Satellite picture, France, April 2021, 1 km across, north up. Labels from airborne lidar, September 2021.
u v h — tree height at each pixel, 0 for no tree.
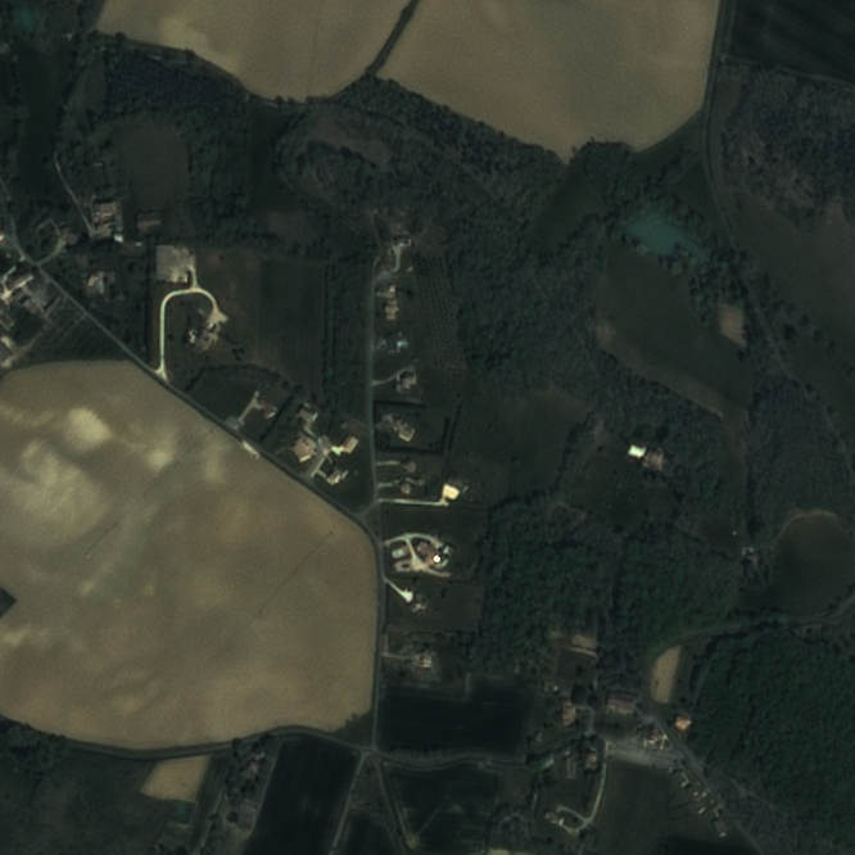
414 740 0
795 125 11
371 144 8
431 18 0
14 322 7
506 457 0
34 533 0
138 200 0
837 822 22
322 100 12
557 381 16
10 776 0
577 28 0
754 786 18
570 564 23
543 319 20
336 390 14
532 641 18
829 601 0
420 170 16
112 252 19
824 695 18
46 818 0
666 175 12
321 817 12
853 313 0
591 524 12
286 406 14
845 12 0
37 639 0
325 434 6
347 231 7
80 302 11
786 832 19
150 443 0
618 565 12
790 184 11
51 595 0
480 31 0
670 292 0
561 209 0
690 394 0
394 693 0
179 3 0
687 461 19
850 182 8
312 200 29
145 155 0
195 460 0
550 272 20
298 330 13
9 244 0
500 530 19
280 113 11
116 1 0
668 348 0
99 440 0
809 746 24
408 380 10
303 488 0
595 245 17
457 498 0
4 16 8
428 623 0
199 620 0
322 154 14
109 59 15
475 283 24
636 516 0
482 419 0
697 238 10
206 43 0
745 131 16
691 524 14
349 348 11
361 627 0
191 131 19
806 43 0
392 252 9
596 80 0
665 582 23
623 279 0
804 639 10
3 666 0
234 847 0
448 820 13
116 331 21
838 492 16
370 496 0
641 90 0
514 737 0
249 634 0
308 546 0
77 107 10
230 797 8
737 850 0
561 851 8
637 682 19
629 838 0
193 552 0
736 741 13
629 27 0
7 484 0
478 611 0
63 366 0
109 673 0
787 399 13
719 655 19
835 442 11
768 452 18
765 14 0
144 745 0
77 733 0
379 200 25
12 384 0
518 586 22
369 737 0
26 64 0
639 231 0
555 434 0
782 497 18
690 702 7
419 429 0
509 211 7
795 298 0
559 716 7
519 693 0
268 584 0
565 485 10
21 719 0
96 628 0
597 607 9
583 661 0
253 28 0
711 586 21
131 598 0
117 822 6
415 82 0
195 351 8
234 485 0
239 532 0
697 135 0
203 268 0
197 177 26
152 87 12
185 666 0
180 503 0
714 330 0
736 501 20
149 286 8
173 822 0
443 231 13
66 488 0
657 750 0
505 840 16
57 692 0
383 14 0
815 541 0
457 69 0
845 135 15
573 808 0
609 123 0
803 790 22
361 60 0
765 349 12
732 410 0
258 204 9
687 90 0
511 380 25
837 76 0
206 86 15
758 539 23
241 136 17
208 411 8
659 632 25
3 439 0
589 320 14
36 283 9
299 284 14
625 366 12
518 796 0
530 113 0
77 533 0
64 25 0
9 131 0
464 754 0
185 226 14
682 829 0
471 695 0
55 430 0
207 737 0
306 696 0
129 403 0
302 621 0
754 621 15
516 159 14
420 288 15
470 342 16
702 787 0
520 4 0
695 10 0
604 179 14
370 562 0
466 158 11
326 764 0
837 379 0
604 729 12
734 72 17
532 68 0
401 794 0
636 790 0
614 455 0
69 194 7
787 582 0
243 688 0
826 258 0
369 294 9
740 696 23
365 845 0
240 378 13
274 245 16
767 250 0
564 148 0
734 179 21
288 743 0
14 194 0
